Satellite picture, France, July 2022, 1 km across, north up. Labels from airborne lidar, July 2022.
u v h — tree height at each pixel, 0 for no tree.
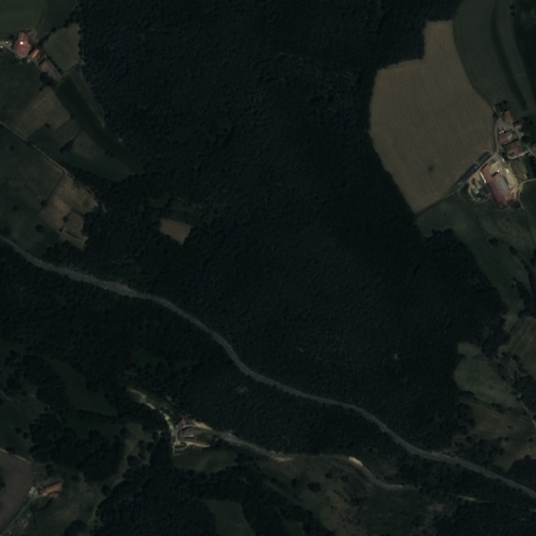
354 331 13
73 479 11
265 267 13
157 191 13
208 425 13
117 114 15
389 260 22
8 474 0
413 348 16
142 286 15
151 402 0
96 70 13
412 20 22
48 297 12
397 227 25
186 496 23
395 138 0
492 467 13
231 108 15
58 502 0
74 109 0
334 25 14
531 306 8
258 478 18
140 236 12
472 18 0
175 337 18
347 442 8
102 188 11
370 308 11
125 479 18
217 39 13
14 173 0
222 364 18
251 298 18
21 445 0
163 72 16
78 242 0
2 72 0
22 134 0
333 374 16
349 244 18
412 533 0
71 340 18
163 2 14
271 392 17
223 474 18
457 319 17
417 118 0
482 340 10
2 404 13
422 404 17
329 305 16
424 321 11
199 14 9
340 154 26
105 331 20
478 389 0
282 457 0
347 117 21
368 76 20
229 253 19
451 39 0
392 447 14
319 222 19
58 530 0
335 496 0
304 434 14
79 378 0
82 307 16
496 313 13
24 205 0
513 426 0
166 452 23
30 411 0
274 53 17
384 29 21
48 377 24
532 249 0
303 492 0
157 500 22
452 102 0
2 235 6
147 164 13
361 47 21
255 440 8
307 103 23
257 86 17
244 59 16
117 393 19
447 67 0
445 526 19
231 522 0
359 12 21
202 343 16
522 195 0
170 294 28
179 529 19
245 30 20
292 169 11
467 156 0
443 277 18
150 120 19
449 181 0
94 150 0
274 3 18
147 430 16
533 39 0
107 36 14
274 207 16
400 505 0
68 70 0
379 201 26
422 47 17
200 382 16
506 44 0
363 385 16
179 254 18
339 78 17
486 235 0
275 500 26
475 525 14
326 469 0
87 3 10
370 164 24
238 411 14
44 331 24
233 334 16
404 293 20
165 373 16
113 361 22
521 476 13
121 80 15
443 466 9
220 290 20
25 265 10
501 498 15
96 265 14
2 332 15
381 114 0
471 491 9
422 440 8
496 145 0
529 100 0
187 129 14
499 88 0
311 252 11
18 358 13
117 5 16
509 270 0
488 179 0
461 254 22
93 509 0
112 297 17
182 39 10
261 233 15
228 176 17
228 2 17
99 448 13
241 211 15
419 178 0
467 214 0
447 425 16
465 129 0
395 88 0
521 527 11
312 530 28
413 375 16
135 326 17
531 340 0
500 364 11
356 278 13
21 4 0
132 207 17
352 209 30
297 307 14
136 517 21
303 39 21
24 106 0
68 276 8
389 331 14
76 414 9
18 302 10
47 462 8
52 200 0
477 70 0
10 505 0
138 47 15
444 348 12
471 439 10
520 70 0
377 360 14
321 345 9
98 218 20
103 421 20
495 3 0
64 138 0
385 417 15
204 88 17
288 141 13
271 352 16
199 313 17
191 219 0
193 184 13
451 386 19
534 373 0
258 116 15
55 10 0
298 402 19
